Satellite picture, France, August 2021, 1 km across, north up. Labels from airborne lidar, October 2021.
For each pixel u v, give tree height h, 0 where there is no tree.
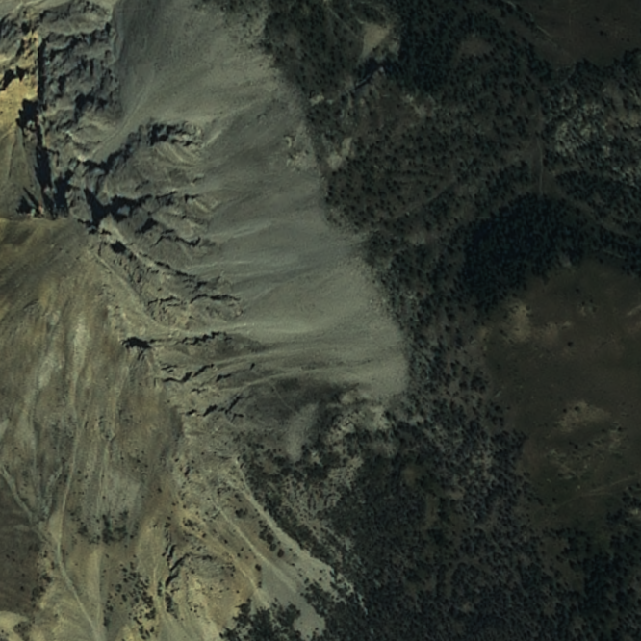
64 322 0
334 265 0
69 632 0
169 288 0
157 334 0
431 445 8
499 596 10
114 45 0
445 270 9
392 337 0
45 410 0
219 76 0
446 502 22
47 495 0
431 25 10
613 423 0
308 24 8
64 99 0
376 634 13
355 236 0
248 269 0
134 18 0
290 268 0
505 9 13
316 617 0
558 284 0
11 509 0
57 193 0
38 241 0
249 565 0
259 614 9
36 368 0
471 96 11
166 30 0
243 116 0
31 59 0
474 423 8
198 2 0
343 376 0
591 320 0
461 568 8
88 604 0
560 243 7
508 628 12
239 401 0
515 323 0
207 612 0
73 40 0
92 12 0
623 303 0
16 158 0
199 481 0
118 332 0
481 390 8
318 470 11
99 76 0
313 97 0
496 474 10
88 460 0
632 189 9
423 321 8
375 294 0
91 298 0
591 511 0
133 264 0
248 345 0
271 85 0
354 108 0
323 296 0
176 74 0
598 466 0
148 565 0
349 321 0
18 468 0
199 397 0
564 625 15
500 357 0
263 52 0
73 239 0
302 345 0
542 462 0
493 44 7
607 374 0
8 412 0
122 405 0
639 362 0
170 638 0
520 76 12
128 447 0
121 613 0
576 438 0
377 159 9
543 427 0
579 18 0
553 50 0
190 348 0
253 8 0
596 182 9
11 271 0
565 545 0
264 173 0
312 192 0
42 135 0
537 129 0
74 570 0
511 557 7
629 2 0
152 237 0
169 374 0
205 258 0
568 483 0
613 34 0
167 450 0
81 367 0
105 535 0
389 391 0
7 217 0
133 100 0
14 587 0
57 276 0
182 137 0
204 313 0
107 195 0
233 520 0
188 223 0
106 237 0
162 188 0
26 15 0
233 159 0
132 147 0
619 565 13
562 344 0
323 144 0
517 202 7
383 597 11
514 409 0
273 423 0
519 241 11
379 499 12
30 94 0
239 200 0
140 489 0
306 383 0
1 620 0
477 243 6
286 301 0
